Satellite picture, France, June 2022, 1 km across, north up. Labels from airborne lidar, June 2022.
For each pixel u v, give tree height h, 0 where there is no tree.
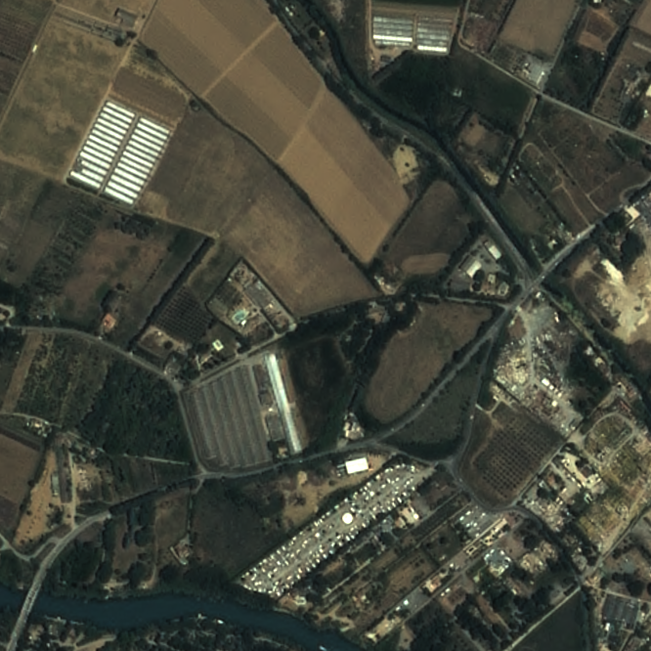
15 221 0
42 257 0
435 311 0
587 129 0
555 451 0
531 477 0
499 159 6
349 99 11
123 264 0
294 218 0
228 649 12
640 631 13
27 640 10
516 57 0
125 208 0
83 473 0
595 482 0
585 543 7
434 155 13
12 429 0
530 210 0
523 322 0
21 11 0
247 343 10
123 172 0
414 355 0
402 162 0
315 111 0
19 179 0
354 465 0
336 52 10
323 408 0
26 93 0
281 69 0
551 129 0
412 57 6
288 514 0
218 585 12
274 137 0
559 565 10
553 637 0
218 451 0
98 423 14
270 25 0
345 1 0
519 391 0
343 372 0
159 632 7
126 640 16
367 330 12
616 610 0
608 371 0
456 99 10
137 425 9
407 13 0
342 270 0
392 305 11
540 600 16
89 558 8
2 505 0
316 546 0
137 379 11
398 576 0
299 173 0
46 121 0
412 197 0
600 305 0
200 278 0
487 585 9
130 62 0
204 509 0
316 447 8
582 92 0
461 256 11
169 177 0
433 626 10
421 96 7
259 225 0
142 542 16
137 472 0
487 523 0
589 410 8
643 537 0
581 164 0
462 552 0
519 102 0
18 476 0
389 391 0
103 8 0
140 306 0
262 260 0
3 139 0
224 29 0
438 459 8
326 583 13
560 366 0
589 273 0
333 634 0
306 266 0
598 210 0
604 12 0
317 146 0
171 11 0
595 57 6
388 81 6
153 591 6
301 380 0
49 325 10
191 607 0
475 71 0
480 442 0
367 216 0
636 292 0
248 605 12
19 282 0
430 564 0
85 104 0
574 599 0
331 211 0
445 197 0
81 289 0
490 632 16
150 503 15
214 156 0
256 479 15
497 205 6
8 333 15
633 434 0
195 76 0
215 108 0
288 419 0
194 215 0
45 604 0
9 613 13
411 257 0
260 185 0
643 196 15
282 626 0
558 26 0
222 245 0
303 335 10
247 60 0
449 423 0
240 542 0
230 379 0
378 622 8
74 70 0
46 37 0
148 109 0
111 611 0
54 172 0
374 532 8
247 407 0
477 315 0
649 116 0
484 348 12
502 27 7
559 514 0
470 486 0
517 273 6
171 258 0
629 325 0
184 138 0
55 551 0
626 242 13
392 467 8
